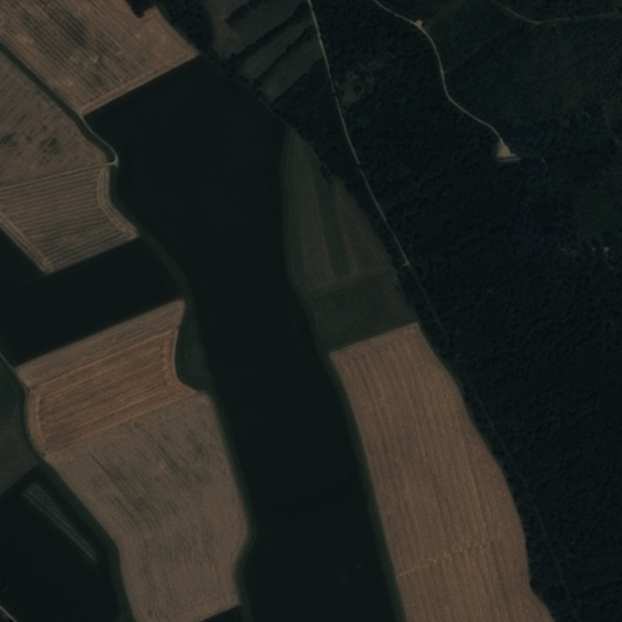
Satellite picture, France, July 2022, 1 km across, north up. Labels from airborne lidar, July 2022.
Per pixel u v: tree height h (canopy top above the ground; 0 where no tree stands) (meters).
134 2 17
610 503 23
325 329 0
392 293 0
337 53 13
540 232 36
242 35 0
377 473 0
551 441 20
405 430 0
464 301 20
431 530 0
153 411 0
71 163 0
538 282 21
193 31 13
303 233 0
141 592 0
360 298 0
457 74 8
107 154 0
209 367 0
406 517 0
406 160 22
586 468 22
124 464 0
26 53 0
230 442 0
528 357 26
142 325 0
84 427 0
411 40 16
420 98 20
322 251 0
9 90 0
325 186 0
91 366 0
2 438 0
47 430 0
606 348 19
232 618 0
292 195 0
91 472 0
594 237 0
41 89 0
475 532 0
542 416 16
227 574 0
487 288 21
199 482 0
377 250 0
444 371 0
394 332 0
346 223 0
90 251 0
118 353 0
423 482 0
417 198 10
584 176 31
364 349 0
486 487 0
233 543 0
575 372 23
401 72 25
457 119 20
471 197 23
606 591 20
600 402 21
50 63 0
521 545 0
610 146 20
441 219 23
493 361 20
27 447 0
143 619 0
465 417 0
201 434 0
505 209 23
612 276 27
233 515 0
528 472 21
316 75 7
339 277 0
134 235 0
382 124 18
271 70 6
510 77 6
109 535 0
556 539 8
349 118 6
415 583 0
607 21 7
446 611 0
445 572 0
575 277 18
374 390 0
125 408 0
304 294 0
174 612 0
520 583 0
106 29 0
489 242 20
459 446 0
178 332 0
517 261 22
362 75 25
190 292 0
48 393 0
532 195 27
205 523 0
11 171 0
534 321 15
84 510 0
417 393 0
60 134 0
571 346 22
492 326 22
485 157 23
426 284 17
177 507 0
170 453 0
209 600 0
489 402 21
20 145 0
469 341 23
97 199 0
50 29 0
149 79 0
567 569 19
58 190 0
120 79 0
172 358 0
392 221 20
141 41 0
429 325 11
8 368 0
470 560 0
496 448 11
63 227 0
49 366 0
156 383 0
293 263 0
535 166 26
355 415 0
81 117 0
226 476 0
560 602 9
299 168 0
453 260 21
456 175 22
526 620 0
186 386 0
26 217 0
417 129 18
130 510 0
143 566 0
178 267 0
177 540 0
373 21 17
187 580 0
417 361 0
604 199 0
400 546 0
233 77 13
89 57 0
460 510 0
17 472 0
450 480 0
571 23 7
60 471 0
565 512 20
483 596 0
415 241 12
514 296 16
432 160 23
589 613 20
